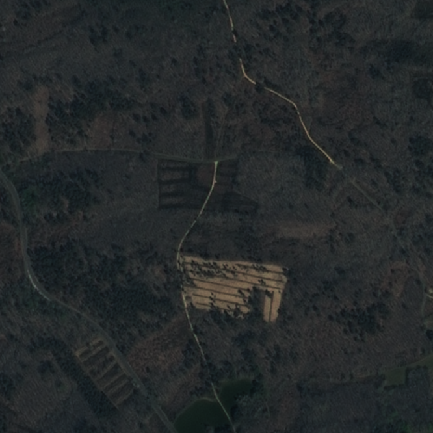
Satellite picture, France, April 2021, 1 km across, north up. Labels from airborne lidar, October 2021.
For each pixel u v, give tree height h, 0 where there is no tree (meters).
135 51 17
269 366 12
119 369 17
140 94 18
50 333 18
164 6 14
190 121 23
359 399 17
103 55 17
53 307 18
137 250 19
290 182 15
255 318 20
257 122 6
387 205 6
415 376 21
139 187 15
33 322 19
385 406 19
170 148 10
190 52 11
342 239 10
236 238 6
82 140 27
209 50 13
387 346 11
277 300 0
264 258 7
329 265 15
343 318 7
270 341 15
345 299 11
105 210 16
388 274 10
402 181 18
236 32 9
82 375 24
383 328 8
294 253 7
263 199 18
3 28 19
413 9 17
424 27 14
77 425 13
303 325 11
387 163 14
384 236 12
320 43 21
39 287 0
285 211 17
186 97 14
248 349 25
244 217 11
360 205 9
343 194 9
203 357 9
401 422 18
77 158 11
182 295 10
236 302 0
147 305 25
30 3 17
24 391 15
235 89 16
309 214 13
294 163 17
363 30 14
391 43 6
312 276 13
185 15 12
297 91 18
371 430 18
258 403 13
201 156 12
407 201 17
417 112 18
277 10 7
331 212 14
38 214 21
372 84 8
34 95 18
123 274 15
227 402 0
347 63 19
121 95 20
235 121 19
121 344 19
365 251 16
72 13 8
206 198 0
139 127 11
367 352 13
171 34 14
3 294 22
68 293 21
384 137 10
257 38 7
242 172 16
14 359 16
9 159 20
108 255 11
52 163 17
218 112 13
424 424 21
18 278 8
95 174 11
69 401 17
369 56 6
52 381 16
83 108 26
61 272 21
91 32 15
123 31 18
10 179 11
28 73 17
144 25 18
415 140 13
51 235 7
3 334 14
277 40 17
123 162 9
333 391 15
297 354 9
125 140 13
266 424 6
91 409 15
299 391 7
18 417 6
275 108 7
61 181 15
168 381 22
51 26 7
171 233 8
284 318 8
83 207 21
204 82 7
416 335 12
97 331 13
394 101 14
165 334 10
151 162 15
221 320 23
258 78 16
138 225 12
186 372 15
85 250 13
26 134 24
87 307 25
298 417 6
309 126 13
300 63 14
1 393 12
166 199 7
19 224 23
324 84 8
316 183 18
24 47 7
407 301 13
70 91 17
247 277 14
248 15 23
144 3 17
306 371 9
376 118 16
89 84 20
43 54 14
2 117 9
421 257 22
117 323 24
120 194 10
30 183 10
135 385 16
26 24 8
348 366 12
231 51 12
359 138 15
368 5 15
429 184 19
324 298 8
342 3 7
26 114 8
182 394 7
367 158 9
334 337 10
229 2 11
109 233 11
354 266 9
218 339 14
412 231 13
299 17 19
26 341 10
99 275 21
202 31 10
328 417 20
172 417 7
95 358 6
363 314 17
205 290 0
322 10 11
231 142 17
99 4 21
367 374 21
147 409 16
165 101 7
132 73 19
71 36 17
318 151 8
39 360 15
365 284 12
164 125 10
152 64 15
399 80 8
